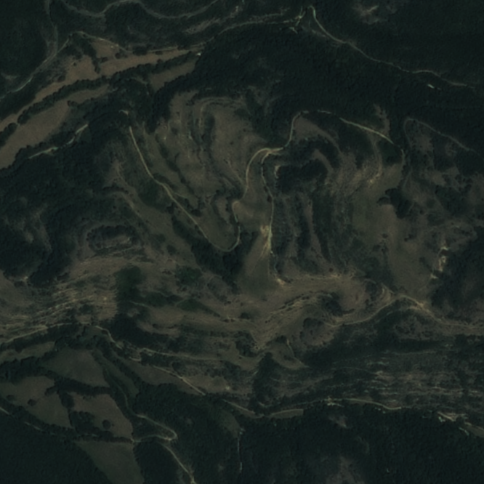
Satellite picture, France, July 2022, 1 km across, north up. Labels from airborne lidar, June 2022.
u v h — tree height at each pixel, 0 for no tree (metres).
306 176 8
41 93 0
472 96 14
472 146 10
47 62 0
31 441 13
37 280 9
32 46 12
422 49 7
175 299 9
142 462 11
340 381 12
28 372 16
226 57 9
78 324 7
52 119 0
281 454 8
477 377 8
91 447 0
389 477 14
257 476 9
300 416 6
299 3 7
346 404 10
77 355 0
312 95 9
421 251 0
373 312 0
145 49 7
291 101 10
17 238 8
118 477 0
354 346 6
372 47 8
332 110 11
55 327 6
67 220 13
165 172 0
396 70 9
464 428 10
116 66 0
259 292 0
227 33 8
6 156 0
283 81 6
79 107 10
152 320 0
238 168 0
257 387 11
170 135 0
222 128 0
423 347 10
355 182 0
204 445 9
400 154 7
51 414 0
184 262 0
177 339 10
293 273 0
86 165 12
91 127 10
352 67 18
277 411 10
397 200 14
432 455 11
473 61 9
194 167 0
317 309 0
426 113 15
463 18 6
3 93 11
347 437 11
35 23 8
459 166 7
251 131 0
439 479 14
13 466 13
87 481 17
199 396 6
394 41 8
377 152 0
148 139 0
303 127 0
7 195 9
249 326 0
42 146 15
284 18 8
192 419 7
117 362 12
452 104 17
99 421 0
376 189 0
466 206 0
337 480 0
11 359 0
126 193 6
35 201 7
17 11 10
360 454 9
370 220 0
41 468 10
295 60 8
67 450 16
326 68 6
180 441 7
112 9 12
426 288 0
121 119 8
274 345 0
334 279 0
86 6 6
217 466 7
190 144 0
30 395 0
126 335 13
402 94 15
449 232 0
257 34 13
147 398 9
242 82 6
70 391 13
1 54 11
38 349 0
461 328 0
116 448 0
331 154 8
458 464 14
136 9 14
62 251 9
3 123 0
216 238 0
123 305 8
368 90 16
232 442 8
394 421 11
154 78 0
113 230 12
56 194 9
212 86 6
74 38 11
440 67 6
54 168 7
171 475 11
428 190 0
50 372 13
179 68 0
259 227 0
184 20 8
